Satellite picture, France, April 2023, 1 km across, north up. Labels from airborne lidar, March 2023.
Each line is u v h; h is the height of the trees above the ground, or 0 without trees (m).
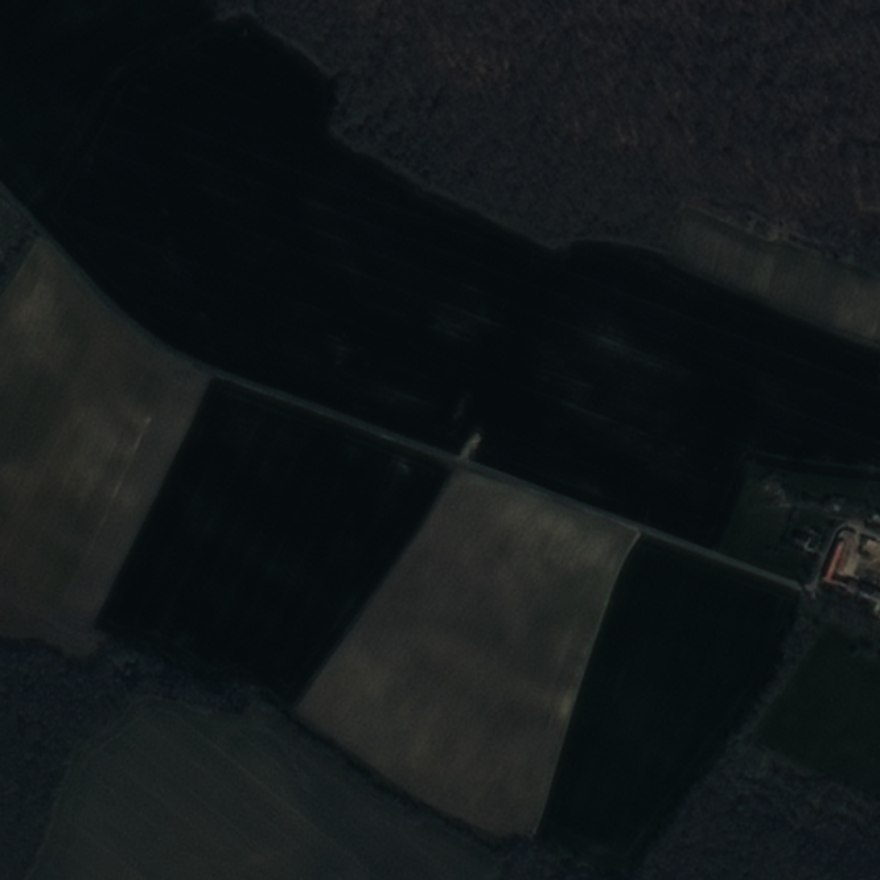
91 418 0
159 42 0
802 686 0
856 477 0
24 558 0
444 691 0
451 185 17
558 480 0
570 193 20
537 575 0
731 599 0
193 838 0
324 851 0
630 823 0
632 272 0
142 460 0
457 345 0
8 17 0
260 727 0
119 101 0
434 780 0
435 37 25
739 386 0
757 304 0
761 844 26
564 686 0
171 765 0
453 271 0
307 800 0
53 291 0
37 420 0
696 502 0
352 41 21
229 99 0
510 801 0
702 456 0
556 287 0
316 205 0
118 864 0
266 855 0
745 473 0
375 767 0
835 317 0
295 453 0
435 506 0
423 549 0
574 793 0
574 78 22
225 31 0
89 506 0
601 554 0
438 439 0
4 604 0
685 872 25
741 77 22
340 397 0
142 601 0
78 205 0
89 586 0
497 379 0
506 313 0
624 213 18
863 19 20
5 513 0
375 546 0
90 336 0
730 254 0
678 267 0
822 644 0
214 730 0
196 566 0
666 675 0
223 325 0
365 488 0
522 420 0
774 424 0
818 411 0
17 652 18
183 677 21
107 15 0
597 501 0
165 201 0
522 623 0
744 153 22
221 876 0
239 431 0
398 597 0
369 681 0
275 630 0
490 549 0
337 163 0
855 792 8
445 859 0
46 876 0
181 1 0
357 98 23
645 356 0
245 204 0
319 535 0
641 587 0
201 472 0
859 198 21
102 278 0
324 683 0
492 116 18
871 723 0
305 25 17
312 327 0
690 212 0
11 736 27
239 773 0
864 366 0
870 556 6
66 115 0
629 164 18
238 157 0
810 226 16
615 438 0
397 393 0
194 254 0
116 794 0
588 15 12
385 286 0
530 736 0
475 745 0
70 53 0
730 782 15
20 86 0
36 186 0
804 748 0
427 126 24
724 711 0
